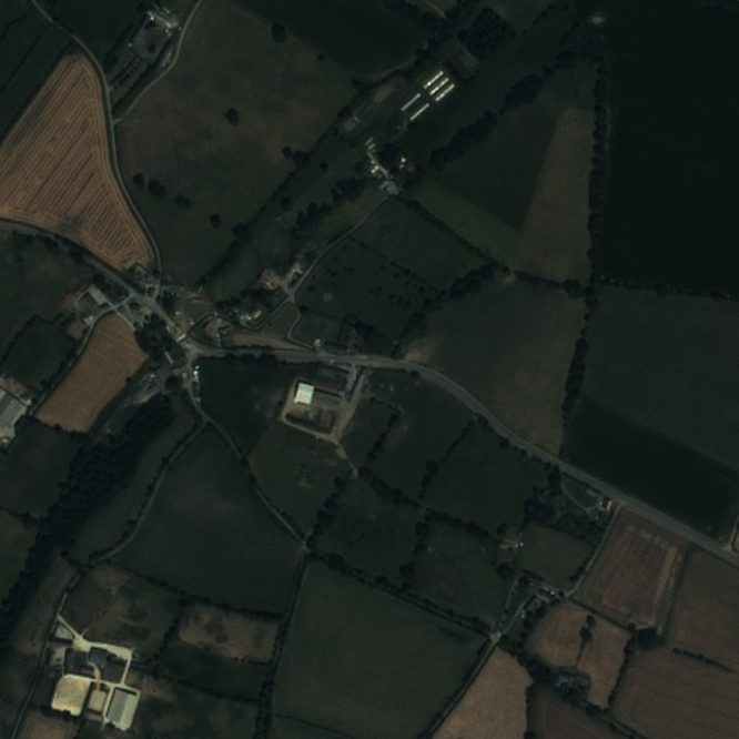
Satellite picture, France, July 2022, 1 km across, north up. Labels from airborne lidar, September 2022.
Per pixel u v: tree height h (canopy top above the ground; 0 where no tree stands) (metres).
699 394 0
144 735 0
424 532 21
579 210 0
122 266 0
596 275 12
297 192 0
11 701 0
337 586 0
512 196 0
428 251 0
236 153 0
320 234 0
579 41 9
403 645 0
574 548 0
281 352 0
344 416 0
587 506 0
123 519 0
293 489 0
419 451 0
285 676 0
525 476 0
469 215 0
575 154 0
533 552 0
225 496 0
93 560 6
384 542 0
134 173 0
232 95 0
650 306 0
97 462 23
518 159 0
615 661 0
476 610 0
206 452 0
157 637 0
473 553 0
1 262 0
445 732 0
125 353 0
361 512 0
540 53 0
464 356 0
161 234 0
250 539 0
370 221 0
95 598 0
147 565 0
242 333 0
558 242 0
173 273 0
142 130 0
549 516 28
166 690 0
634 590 0
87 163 0
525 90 24
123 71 6
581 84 0
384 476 0
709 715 0
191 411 8
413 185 7
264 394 0
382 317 0
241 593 0
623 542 0
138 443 17
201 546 0
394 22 0
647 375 0
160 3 14
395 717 0
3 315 0
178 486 0
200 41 0
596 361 0
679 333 0
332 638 0
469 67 0
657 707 0
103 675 0
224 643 0
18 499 0
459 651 0
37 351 0
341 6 0
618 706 0
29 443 0
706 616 0
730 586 0
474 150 0
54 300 0
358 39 0
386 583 13
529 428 0
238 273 0
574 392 16
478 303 0
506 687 0
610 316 0
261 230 0
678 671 0
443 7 0
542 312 0
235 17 0
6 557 0
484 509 0
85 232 0
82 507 17
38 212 0
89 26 0
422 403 0
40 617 0
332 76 0
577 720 0
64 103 0
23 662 0
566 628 0
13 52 0
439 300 7
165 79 0
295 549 0
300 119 0
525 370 0
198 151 0
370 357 0
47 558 15
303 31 0
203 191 0
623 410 0
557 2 11
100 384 0
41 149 0
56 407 0
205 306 0
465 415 0
